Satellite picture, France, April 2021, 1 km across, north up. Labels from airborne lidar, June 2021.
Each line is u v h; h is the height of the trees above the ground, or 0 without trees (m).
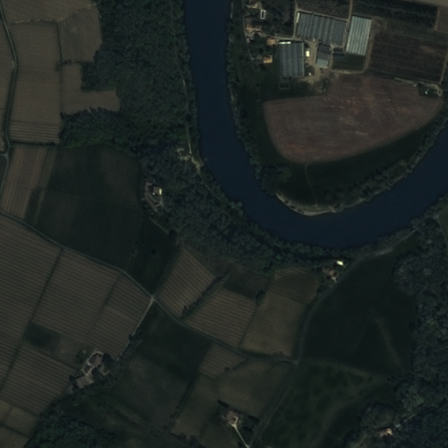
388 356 0
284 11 19
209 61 0
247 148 10
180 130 22
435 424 22
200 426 0
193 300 0
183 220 23
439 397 24
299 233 0
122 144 18
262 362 0
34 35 0
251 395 0
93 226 0
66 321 0
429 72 0
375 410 20
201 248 9
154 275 0
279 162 0
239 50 0
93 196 0
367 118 0
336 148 0
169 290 0
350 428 0
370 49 0
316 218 0
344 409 0
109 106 0
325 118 0
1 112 0
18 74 0
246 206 0
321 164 0
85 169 0
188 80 11
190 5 0
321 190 0
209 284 0
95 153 0
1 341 0
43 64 0
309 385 0
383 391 0
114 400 0
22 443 0
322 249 15
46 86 0
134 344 9
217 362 0
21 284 0
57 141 0
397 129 0
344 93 0
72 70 0
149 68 21
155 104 10
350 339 0
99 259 0
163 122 17
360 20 0
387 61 0
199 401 0
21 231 0
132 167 0
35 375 0
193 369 0
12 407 0
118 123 20
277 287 0
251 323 0
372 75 0
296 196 0
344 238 0
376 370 0
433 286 20
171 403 0
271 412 0
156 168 16
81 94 0
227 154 0
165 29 17
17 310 0
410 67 0
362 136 0
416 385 25
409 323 0
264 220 0
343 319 0
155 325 0
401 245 0
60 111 0
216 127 0
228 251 22
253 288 0
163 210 11
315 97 0
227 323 0
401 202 0
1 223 0
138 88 14
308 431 0
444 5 0
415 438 21
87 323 0
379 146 0
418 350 24
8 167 0
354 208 0
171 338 0
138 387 0
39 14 0
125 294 0
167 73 23
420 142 0
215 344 0
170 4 14
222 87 0
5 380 0
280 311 0
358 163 0
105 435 6
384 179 16
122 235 0
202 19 0
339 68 0
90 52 0
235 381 0
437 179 0
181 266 0
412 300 0
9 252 0
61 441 14
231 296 0
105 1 16
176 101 21
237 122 17
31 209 0
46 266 0
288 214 0
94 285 0
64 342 0
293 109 0
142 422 0
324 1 0
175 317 0
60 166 0
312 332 0
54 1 0
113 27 10
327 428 0
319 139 0
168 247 0
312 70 0
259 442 0
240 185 0
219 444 0
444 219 0
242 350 0
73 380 14
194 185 10
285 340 0
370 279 0
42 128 0
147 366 0
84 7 0
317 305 0
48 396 0
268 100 0
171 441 0
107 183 0
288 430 0
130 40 26
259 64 6
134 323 0
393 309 0
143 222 0
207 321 0
